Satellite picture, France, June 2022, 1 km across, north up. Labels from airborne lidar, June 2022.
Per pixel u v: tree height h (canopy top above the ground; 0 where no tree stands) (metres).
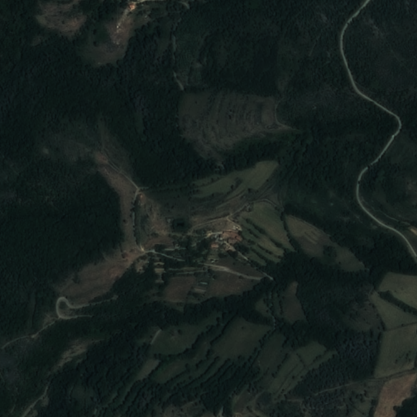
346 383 7
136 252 0
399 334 0
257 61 7
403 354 0
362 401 10
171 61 15
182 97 8
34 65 21
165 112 9
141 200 0
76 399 7
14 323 9
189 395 14
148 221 0
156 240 0
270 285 20
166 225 0
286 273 20
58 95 11
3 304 11
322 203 0
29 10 14
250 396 0
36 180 6
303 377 10
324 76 8
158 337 0
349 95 8
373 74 8
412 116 10
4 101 22
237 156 9
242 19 8
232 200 0
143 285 18
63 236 11
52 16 0
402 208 0
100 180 6
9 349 7
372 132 9
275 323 10
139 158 13
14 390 7
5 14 8
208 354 13
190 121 0
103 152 0
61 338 7
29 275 7
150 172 9
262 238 0
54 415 24
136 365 17
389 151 0
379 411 0
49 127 6
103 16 19
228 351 0
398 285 0
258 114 0
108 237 10
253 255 0
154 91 11
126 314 15
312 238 0
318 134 8
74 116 8
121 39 0
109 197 7
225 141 0
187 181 14
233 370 17
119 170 0
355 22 9
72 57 10
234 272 0
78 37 11
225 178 0
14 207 8
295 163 7
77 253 8
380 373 0
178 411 0
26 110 11
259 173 0
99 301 8
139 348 12
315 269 29
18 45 8
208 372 14
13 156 7
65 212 8
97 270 0
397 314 0
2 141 9
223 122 0
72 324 11
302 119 7
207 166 13
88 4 7
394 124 12
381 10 6
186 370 7
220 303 32
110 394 12
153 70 8
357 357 14
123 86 17
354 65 9
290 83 7
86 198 10
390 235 6
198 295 11
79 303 0
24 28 17
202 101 0
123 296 13
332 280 11
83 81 14
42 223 11
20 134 9
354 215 0
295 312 0
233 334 0
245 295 17
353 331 17
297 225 0
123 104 7
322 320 14
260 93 7
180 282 0
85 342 0
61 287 0
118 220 10
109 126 8
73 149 0
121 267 0
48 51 26
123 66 24
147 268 8
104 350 17
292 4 9
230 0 15
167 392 7
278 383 0
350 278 13
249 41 7
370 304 7
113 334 9
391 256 8
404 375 0
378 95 6
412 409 15
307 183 7
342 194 8
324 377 7
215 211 0
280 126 0
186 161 15
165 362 14
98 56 0
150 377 13
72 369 13
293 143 11
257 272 0
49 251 10
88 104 10
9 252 7
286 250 12
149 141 12
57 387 24
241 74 7
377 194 0
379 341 7
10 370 7
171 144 9
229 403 14
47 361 7
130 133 14
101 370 25
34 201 7
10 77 23
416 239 0
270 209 0
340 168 6
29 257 11
